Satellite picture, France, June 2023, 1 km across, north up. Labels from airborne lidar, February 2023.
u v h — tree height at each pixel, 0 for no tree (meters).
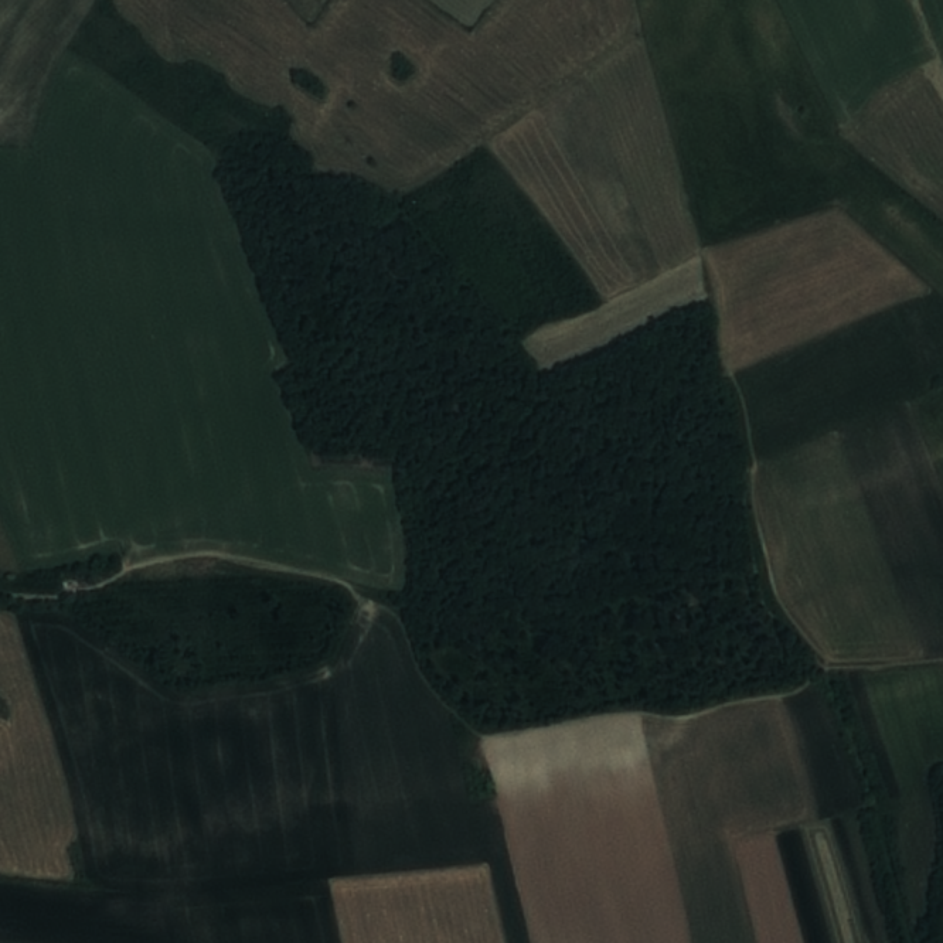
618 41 0
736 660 17
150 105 0
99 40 0
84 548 0
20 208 0
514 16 0
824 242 0
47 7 0
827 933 0
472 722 11
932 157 0
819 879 0
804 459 0
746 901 0
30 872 0
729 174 0
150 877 0
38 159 0
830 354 0
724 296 0
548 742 0
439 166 0
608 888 0
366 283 23
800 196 0
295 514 0
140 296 0
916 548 0
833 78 0
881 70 0
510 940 0
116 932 0
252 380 0
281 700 0
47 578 7
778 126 0
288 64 0
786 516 0
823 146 0
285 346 18
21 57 0
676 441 26
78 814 0
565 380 24
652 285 0
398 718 0
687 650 23
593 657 23
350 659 0
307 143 0
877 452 0
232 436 0
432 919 0
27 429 0
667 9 0
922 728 0
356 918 0
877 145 0
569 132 0
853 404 0
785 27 0
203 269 0
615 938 0
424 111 0
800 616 0
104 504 0
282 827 0
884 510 0
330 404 17
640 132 0
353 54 0
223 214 0
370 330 22
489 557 19
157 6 0
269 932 0
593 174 0
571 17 0
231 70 0
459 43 0
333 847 0
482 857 0
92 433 0
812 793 0
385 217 9
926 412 0
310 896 0
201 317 0
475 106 0
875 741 0
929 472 0
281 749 0
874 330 0
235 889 0
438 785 0
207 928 0
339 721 0
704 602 26
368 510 0
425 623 16
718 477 22
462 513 22
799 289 0
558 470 25
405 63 6
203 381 0
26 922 0
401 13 0
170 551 0
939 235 0
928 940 14
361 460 16
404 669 0
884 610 0
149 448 0
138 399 0
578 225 0
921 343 0
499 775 0
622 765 0
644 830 0
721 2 0
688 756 0
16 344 0
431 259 17
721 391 19
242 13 0
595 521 26
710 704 11
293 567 0
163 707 0
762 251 0
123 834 0
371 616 0
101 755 0
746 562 19
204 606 0
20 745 0
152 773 0
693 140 0
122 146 0
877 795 14
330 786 0
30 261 0
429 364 24
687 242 0
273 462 0
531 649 0
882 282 0
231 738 0
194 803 0
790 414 0
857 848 0
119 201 0
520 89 0
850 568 0
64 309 0
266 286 19
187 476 0
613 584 28
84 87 0
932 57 0
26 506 0
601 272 0
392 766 0
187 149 0
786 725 0
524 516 25
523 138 0
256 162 15
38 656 0
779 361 0
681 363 25
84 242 0
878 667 0
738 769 0
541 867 0
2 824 0
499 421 25
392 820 0
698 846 0
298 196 21
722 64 0
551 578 26
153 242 0
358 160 0
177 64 0
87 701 0
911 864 0
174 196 0
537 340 0
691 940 0
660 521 29
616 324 0
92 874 0
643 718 0
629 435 24
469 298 19
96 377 0
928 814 0
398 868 0
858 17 0
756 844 0
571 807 0
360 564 0
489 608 24
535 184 0
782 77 0
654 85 0
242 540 0
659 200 0
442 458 21
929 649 0
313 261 24
